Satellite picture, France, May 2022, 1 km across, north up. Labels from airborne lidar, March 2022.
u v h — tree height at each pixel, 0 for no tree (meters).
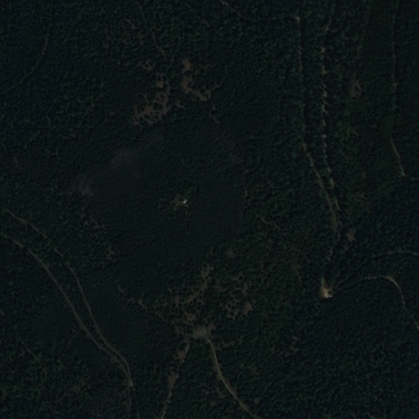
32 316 20
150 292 13
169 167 17
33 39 14
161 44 11
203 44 11
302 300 14
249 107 15
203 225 12
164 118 17
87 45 13
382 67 14
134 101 15
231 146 19
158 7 15
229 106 13
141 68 13
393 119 14
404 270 17
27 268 22
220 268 13
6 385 18
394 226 33
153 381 12
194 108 12
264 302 10
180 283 15
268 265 17
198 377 9
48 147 16
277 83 11
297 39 31
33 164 20
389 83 14
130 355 9
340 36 31
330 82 31
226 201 14
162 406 9
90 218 17
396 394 21
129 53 12
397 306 19
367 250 31
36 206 21
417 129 24
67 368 8
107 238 15
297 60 24
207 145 17
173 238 12
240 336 7
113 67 12
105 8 10
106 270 15
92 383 11
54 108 27
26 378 16
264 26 29
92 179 20
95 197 24
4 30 26
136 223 12
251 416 10
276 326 7
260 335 13
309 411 27
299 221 22
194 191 14
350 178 12
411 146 12
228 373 10
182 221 14
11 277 28
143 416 13
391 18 15
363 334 20
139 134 18
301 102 27
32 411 23
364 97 11
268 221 26
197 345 14
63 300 8
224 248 13
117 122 15
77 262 19
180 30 14
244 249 12
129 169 21
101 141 17
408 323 22
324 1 26
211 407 6
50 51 13
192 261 10
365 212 11
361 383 9
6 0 23
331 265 33
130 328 8
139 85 13
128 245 15
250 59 13
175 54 9
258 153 14
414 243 23
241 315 9
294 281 14
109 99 15
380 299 17
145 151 22
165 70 12
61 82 23
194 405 20
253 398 19
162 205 9
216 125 19
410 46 21
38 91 7
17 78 24
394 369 28
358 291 10
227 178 17
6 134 29
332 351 28
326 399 11
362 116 9
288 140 27
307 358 24
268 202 9
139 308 13
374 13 16
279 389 11
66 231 15
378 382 19
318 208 26
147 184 16
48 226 14
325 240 28
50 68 15
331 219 8
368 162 16
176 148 18
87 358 12
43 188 23
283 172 28
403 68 13
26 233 19
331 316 19
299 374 33
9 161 23
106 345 8
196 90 12
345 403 15
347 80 33
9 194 19
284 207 7
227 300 12
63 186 22
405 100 21
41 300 22
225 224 14
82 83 15
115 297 6
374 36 17
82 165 17
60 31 17
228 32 19
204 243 13
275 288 7
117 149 21
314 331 25
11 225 21
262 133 13
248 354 10
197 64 7
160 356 10
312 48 29
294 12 26
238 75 13
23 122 27
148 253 15
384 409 19
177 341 6
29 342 17
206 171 19
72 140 17
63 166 23
